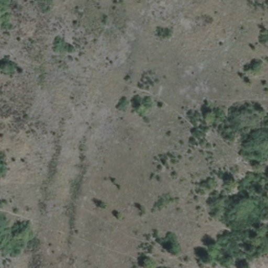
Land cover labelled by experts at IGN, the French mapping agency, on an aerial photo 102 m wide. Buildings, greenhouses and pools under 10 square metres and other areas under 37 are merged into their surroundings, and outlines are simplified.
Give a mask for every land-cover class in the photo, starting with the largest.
<instances>
[{"label":"herbaceous vegetation","instance_id":"1","mask_svg":"<svg viewBox=\"0 0 268 268\"><path fill-rule=\"evenodd\" d=\"M9 8L7 13L10 17H12V20H10V24L13 25V28L3 29L2 27H0V211L5 215L9 227L17 221H29L35 236L16 256H6L0 252V268H225L220 264L213 267L205 263L203 267H199L197 264L195 248L202 246V238L208 234L214 239L223 230L230 231V227L209 216V206L206 204L209 197L207 189L204 194L198 195V200L189 195L191 189H196V185L191 182L207 178L213 170L227 172L239 180L245 177L246 172L252 171V166L239 155L241 135L236 133L233 140L224 139L218 134L217 129L213 128V122L206 121L207 131L203 144L195 146L191 153H187L193 124L186 113L189 110H198L204 100H207L208 108H230L236 103L243 105L245 102H256L262 106L266 114L268 113V0H8ZM153 229H157L160 238H163L166 232L175 233L180 252L171 254L172 242L158 244L153 237Z\"/></svg>","mask_w":268,"mask_h":268},{"label":"brushwood","instance_id":"2","mask_svg":"<svg viewBox=\"0 0 268 268\"><path fill-rule=\"evenodd\" d=\"M9 8L8 0H0V27H2L3 29L13 28V25L10 24V20H12V17H10L7 13ZM262 106L256 102H245L243 105L236 103L230 108H208L207 100H204L198 110H189L186 113L193 124L187 153H191L195 146L203 144L207 131L206 121L213 122V128L217 129L218 134L224 139L233 140L236 133L241 135L239 155L252 166V171L246 172L245 177L239 180L227 172L213 170L207 178L191 182L196 185V189H191L189 195L198 200V195L204 194L207 189L209 197L206 204L209 206V216L230 227V231L223 230L214 239L208 234L202 238V246L195 248L197 264L199 267H203L205 263L213 267L220 264L225 268H268V113L266 114ZM35 236L29 221H17L9 227L5 215L0 211V252L6 256H16ZM153 237L158 244L172 242L171 254L180 252L175 233L166 232L163 238H160L157 229H153Z\"/></svg>","mask_w":268,"mask_h":268}]
</instances>
